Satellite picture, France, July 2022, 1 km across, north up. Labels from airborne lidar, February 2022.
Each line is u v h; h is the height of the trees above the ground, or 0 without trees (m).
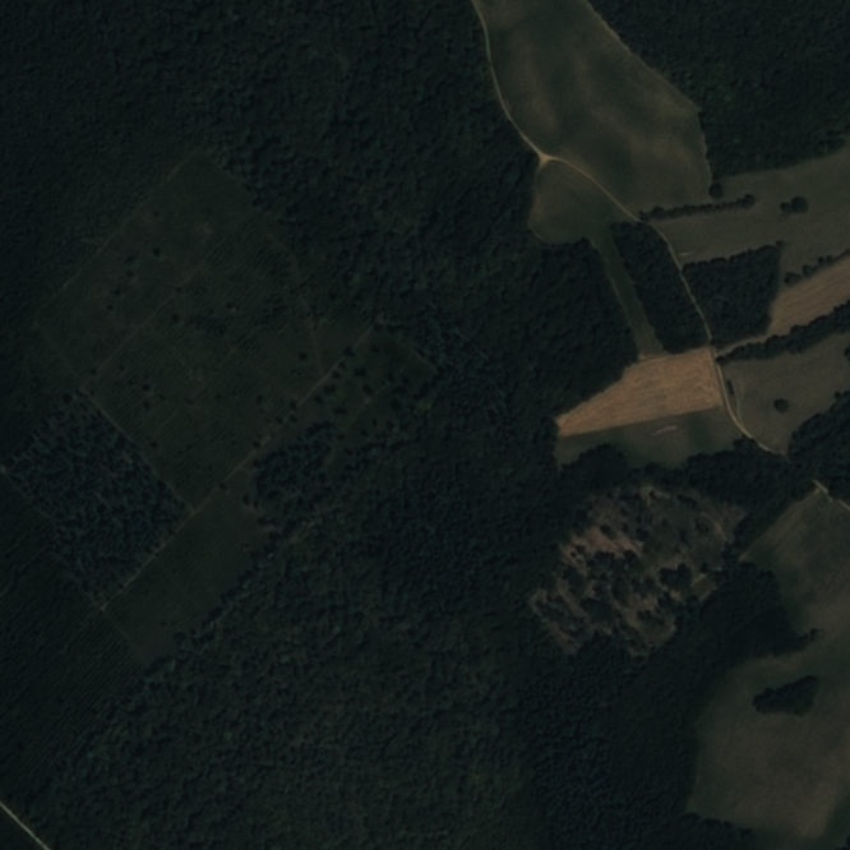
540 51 0
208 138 14
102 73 15
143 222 0
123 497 21
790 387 0
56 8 19
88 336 0
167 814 18
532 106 0
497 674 22
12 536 6
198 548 0
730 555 16
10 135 13
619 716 13
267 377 0
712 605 16
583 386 20
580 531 27
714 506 23
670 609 26
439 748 20
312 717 15
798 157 17
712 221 0
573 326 22
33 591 7
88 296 0
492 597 20
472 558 25
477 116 22
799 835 0
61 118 16
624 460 15
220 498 0
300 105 19
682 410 0
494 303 25
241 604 19
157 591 0
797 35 17
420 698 19
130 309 0
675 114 0
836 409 7
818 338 13
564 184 0
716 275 10
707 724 0
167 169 11
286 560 18
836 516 0
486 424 21
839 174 0
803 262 0
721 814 0
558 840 17
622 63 0
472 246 9
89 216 10
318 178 20
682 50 18
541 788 19
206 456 0
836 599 0
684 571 14
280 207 25
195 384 0
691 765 18
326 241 20
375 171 12
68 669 7
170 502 25
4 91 15
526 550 21
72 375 0
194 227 0
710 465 20
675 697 18
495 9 0
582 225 0
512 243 16
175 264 0
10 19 17
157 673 22
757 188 0
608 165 0
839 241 0
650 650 20
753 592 17
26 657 6
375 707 14
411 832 17
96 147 12
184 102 20
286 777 18
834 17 14
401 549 25
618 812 23
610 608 24
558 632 16
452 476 22
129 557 23
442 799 17
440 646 10
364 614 21
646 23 20
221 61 11
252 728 18
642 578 12
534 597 19
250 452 0
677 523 22
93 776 24
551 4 0
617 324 19
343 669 18
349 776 13
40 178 18
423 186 19
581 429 0
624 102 0
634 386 0
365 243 17
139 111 16
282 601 19
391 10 21
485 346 17
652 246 14
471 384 24
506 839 7
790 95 20
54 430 16
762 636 20
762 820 0
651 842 17
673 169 0
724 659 19
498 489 20
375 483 14
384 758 16
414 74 23
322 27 15
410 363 0
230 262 0
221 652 20
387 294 21
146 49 15
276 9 15
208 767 19
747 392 0
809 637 8
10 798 9
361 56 24
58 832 21
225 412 0
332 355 0
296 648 18
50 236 12
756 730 0
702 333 7
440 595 25
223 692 19
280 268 7
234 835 20
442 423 25
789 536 0
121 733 20
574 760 26
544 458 18
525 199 17
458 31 22
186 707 19
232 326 0
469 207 14
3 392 8
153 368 0
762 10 16
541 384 21
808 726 0
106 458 22
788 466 14
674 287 15
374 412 0
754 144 14
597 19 0
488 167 11
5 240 18
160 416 0
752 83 19
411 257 13
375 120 21
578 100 0
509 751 21
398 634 18
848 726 0
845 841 0
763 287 10
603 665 20
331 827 10
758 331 11
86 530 24
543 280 22
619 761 15
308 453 18
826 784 0
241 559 0
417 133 23
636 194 0
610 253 0
